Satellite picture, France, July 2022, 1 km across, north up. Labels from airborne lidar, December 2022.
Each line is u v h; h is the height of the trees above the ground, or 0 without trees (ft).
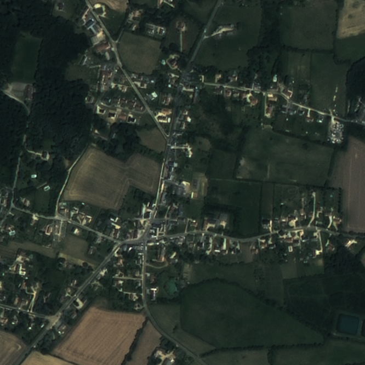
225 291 0
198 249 0
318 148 0
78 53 58
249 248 0
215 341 0
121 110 0
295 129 0
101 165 0
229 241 0
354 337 0
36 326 31
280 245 37
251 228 0
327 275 21
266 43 25
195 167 0
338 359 0
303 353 0
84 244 0
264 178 0
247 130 26
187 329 0
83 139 50
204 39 0
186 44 0
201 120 0
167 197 58
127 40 0
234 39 0
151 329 0
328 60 0
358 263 37
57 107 91
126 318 0
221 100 42
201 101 30
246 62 0
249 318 0
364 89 56
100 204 0
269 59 24
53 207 38
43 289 25
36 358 0
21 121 81
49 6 81
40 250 0
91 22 0
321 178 0
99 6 0
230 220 0
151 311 0
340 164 0
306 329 0
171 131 0
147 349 0
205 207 24
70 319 37
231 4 0
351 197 0
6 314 25
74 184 0
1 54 98
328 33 0
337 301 24
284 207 60
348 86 54
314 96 0
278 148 0
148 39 0
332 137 0
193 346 0
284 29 0
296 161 0
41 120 76
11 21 92
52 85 24
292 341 0
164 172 0
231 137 0
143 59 0
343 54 0
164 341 40
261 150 0
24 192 47
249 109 0
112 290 26
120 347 0
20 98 0
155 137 0
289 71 0
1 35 100
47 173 58
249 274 0
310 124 0
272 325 0
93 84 0
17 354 0
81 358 0
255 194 0
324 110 0
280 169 0
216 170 0
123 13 0
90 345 0
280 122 0
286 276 0
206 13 0
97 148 0
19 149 61
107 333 0
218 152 0
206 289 0
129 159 0
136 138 22
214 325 0
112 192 0
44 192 0
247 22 0
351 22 0
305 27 0
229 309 0
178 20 0
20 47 0
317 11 0
